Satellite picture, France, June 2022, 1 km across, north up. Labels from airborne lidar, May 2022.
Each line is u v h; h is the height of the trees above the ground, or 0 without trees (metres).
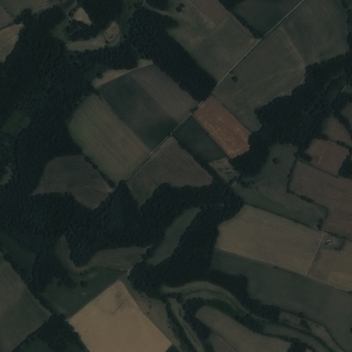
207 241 19
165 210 22
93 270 0
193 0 0
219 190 24
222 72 0
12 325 0
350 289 0
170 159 0
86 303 0
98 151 0
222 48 0
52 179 0
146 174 0
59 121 29
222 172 0
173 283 12
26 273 15
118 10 21
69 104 19
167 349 0
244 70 0
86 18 0
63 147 28
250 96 0
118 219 23
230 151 0
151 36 22
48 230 19
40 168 19
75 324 0
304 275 0
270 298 0
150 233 21
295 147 19
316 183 0
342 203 0
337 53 0
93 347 0
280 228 0
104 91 0
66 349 8
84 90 24
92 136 0
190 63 19
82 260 16
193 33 0
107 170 0
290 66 0
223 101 0
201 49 0
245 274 0
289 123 25
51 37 14
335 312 0
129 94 0
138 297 0
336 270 0
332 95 0
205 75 21
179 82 23
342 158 0
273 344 0
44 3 0
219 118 0
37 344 0
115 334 0
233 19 0
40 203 19
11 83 19
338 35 0
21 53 26
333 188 0
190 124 0
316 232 0
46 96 6
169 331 0
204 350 0
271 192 0
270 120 25
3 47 0
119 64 21
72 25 11
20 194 23
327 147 0
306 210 0
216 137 0
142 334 0
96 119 0
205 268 16
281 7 0
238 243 0
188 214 0
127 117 0
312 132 16
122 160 0
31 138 24
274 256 0
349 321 0
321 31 0
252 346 0
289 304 0
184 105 0
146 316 0
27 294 0
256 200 0
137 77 0
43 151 12
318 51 0
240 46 0
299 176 0
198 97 19
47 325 17
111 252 0
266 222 0
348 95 6
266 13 0
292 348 14
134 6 0
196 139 0
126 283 0
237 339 0
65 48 20
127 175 0
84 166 0
